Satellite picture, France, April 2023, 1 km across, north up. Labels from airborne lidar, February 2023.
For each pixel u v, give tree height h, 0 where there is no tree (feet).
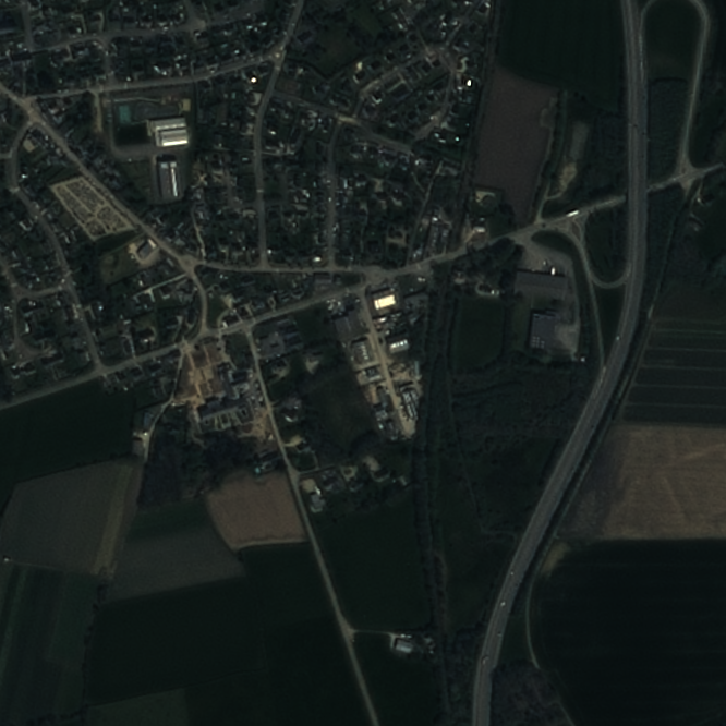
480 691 0
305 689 0
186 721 0
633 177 0
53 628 0
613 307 0
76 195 0
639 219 0
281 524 0
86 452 0
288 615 0
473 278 47
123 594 0
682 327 0
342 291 0
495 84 0
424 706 0
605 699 0
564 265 0
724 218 0
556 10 0
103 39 0
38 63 0
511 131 0
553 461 32
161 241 0
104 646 0
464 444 29
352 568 0
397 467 0
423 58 0
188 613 0
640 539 0
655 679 0
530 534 0
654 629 0
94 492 0
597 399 0
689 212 20
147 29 0
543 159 0
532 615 0
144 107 0
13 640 0
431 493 53
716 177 37
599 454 0
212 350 0
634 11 0
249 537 0
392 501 52
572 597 0
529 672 36
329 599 0
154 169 0
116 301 20
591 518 0
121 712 0
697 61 0
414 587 0
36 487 0
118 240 0
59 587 0
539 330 0
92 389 0
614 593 0
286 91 0
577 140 0
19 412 0
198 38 0
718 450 0
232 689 0
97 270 31
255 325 0
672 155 31
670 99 43
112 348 0
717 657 0
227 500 0
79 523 0
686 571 0
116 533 0
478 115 29
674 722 0
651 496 0
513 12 0
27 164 0
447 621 0
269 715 0
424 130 0
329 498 0
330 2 0
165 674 0
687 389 0
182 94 0
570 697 0
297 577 0
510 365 18
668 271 35
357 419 0
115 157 0
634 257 0
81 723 35
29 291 0
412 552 0
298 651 0
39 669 0
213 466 79
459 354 0
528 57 0
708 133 0
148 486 51
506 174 0
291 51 32
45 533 0
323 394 0
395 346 0
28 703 0
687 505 0
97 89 0
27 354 0
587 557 0
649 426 0
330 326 22
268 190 0
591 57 0
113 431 0
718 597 0
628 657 0
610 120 47
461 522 0
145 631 0
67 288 0
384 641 0
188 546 0
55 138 0
